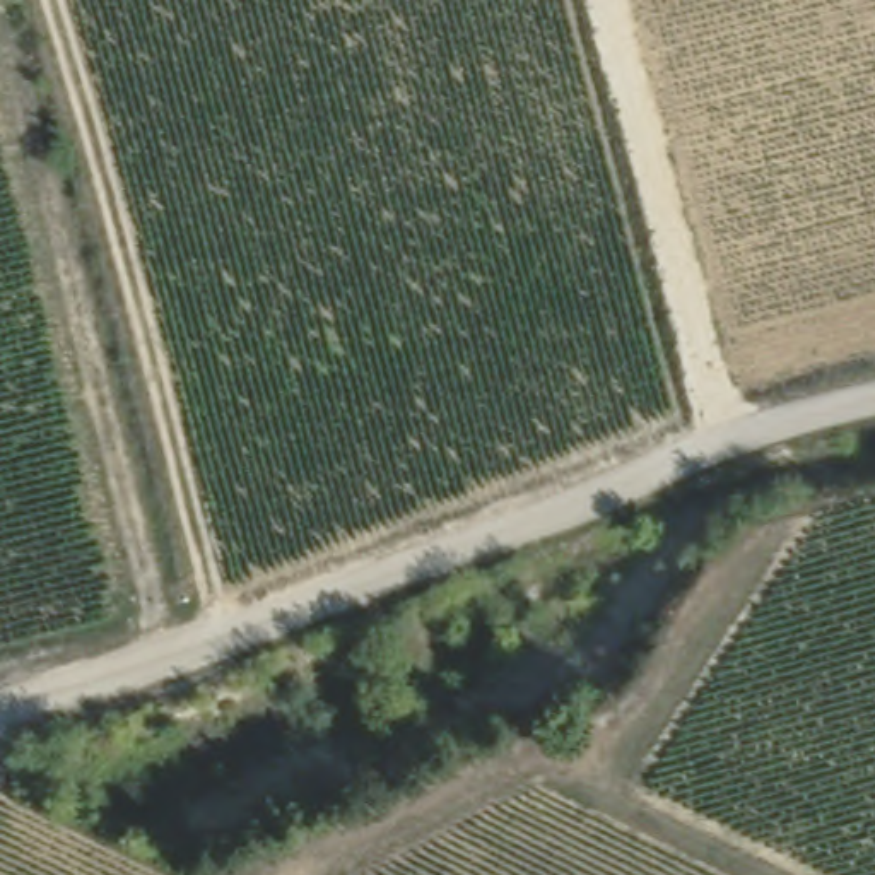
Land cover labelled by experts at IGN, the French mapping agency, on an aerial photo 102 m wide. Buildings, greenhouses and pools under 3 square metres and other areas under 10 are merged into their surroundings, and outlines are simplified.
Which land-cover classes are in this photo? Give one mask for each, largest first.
<instances>
[{"label":"vineyard","instance_id":"1","mask_svg":"<svg viewBox=\"0 0 875 875\"><path fill-rule=\"evenodd\" d=\"M75 31L85 48V65L99 92L116 171L126 191V208L137 226V250L154 297L161 338L171 359L195 479L202 489L212 533L219 540V567L232 591L239 605H253L270 591L291 588L349 561L383 557L396 543L420 533H434L444 523L472 520L502 499L540 492L547 485L571 489L574 475H591L595 465L612 458L632 461L660 448L670 434L690 431L694 420L677 352V332L667 311L653 256L649 226L643 215L619 109L602 72L584 0H68ZM639 65L646 72V85L663 123L667 164L673 171L680 219L690 232V250L708 291L714 342L725 359L731 386L752 403L776 407L875 379V0H629ZM82 475L68 434L65 393L55 376L48 321L31 277L27 239L0 161V660L55 646L51 629L92 622L103 612L106 574L96 571L103 564V550L92 537L89 520L82 516ZM837 496L834 520L813 523L800 537L796 550L766 584L762 602L752 608L749 622L721 653L708 684L680 714L677 731L660 749L643 783L615 772L608 790L595 793L571 776V769L564 766L567 759L543 755L526 738L499 742L489 752L485 759L455 769L448 779L424 786L420 796H400L379 820L314 824L308 831H291L280 865L246 858L232 868V875H875V482L831 489ZM0 875H171L157 865L133 861L113 844L96 841L92 834H82L79 827H55L48 817L0 790Z\"/></svg>","mask_w":875,"mask_h":875},{"label":"herbaceous vegetation","instance_id":"2","mask_svg":"<svg viewBox=\"0 0 875 875\"><path fill-rule=\"evenodd\" d=\"M72 116L38 0H0V161L27 239L31 277L48 321L55 376L65 393L68 434L82 475V516L89 520L92 537L103 550V564L96 571L106 574L103 612L92 622L51 629L55 646L0 660V704L17 697L7 680L17 673H41L62 663L113 653L133 639L157 636L164 629L191 622L198 608V588L181 543L171 482L133 349V332L126 321L123 294L116 284L99 205L89 181L85 188L65 198L58 174L41 161L51 154L55 133H62L58 120ZM677 475H684L690 485H708L718 475L725 489L735 496H766L772 502V516L762 526H738L735 543L721 554H711L704 574L697 578V584L680 598V605L670 608V622L660 632L656 649L643 663V673L625 687L622 697H615L605 704V711L595 714L588 749L567 759L564 766L571 769V776L595 793L608 790L615 772L643 783L660 749L677 731L680 714L708 684L721 653L749 622L752 608L762 602L766 584L796 550L800 537L813 523L834 520L837 496L831 489L875 482V417L769 441L762 448H738L721 458H687L677 465Z\"/></svg>","mask_w":875,"mask_h":875},{"label":"deciduous trees","instance_id":"3","mask_svg":"<svg viewBox=\"0 0 875 875\"><path fill-rule=\"evenodd\" d=\"M62 133H55L51 154L41 161L58 174L65 198L85 188L89 181L72 116L58 120ZM772 516V502L766 496H735L728 509L711 513L708 547L690 543L680 554V567H690V574L697 578L704 574L711 554H721L735 543L738 526H762ZM663 526L653 520V506L646 499H622L605 516L595 513L591 520L571 530L530 543L482 550L472 561L448 564L444 571H414L410 581L383 595H373L369 602H352L335 591L321 595L311 605V615H301L291 629H284L273 639L232 646L215 663L181 677H167L144 690L89 697L65 711H51L41 704L31 718L7 721V735L0 738V790L48 817L55 827H79L82 834H92L103 817L106 783H120L130 796H140L144 769L150 762H164L185 745H198L202 738L229 735L243 714L270 711L304 728L325 731L332 725V711L318 697L314 663L332 653L335 643L349 646L355 653V667H362L359 711L366 728L390 731L396 718L424 711V697L410 687V670H427L431 653L438 646H461L468 639L472 598H479L489 612L492 632L506 649L520 646L523 639L533 643L537 636H547L554 622L591 608V588L605 561L656 547ZM615 697L608 690L581 687L574 694L557 690L554 697L537 701L530 708H509L502 718L492 714V731L499 735V742L526 738L543 755L567 759L588 749L595 714L605 711V704ZM489 752L479 745H461L455 735L441 731L431 749L417 752V762L424 769L400 772L383 786L342 779L328 786V803L318 796L280 790L263 793L256 807L243 813L232 827H226L219 841L202 844V865L191 875H232V868L246 858L280 865L291 831H308L314 824L379 820L400 796H420L424 786L448 779L455 769L485 759ZM113 844L133 861L157 865V848L144 834H126Z\"/></svg>","mask_w":875,"mask_h":875},{"label":"water","instance_id":"4","mask_svg":"<svg viewBox=\"0 0 875 875\"><path fill-rule=\"evenodd\" d=\"M653 506V520L663 526L656 547L605 561L591 588V608L554 622L547 636H537L533 643L523 639L520 646L506 649L492 632L489 612L479 598H472L468 639L461 646H438L431 653L427 670H410V687L424 697V711L396 718L390 731L366 728L359 711L362 667H355V653L349 646L335 643L332 653L314 663L318 697L332 711V725L325 731L304 728L270 711L243 714L229 735L202 738L198 745H185L164 762H150L144 769L140 796H130L120 783H106L103 817L92 834L96 841L113 844L126 834H144L157 848V865L171 875H191L202 865V844L219 841L226 827H232L243 813L256 807L263 793L280 790L318 796L328 803V786L342 779L383 786L400 772L424 769L417 762V752L431 749L441 731L455 735L461 745H479L489 752L499 742V735L492 731V714L502 718L509 708H530L537 701L554 697L557 690L574 694L581 687L608 690L615 697H622L625 687L643 673V663L656 649L660 632L670 622V608L680 605V598L697 584V578L690 574V567H680V554L690 543L708 547L711 513L728 509L735 496L725 489L718 475L708 485H690L684 475H677L670 485L656 489L646 499Z\"/></svg>","mask_w":875,"mask_h":875},{"label":"pervious surface","instance_id":"5","mask_svg":"<svg viewBox=\"0 0 875 875\"><path fill-rule=\"evenodd\" d=\"M72 116L89 181L99 205L116 284L123 294L126 321L133 332V349L171 482L181 543L198 588V608L205 612L215 602H226L232 591L219 567V540L212 533L202 489L195 479L171 359L161 338L154 297L137 250V226L126 208V191L116 171L99 92L85 65V48L75 31L68 0H38ZM602 72L619 109L643 215L649 226L653 256L667 311L677 332V352L694 420L701 431H714L731 417H742L752 403L731 386L725 359L714 342L708 291L690 250V232L680 219L673 171L667 164L663 123L646 85V72L639 65L629 0H584Z\"/></svg>","mask_w":875,"mask_h":875},{"label":"impervious surface","instance_id":"6","mask_svg":"<svg viewBox=\"0 0 875 875\"><path fill-rule=\"evenodd\" d=\"M875 417V379L776 407L752 403L742 417H731L714 431H701L694 420L690 431L670 434L660 448L632 461L612 458L595 465L591 475H574L571 489L547 485L540 492L502 499L472 520L444 523L434 533H420L396 543L383 557L349 561L291 588L270 591L253 605H239L232 591L226 602H215L205 612L198 608L191 622L164 629L157 636L133 639L113 653L62 663L41 673H17L7 680L17 697L0 704V738L7 735V721L31 718L41 704L51 711H65L89 697L144 690L167 677H181L215 663L232 646L273 639L284 629H291L301 615H311V605L321 595L335 591L352 602H369L373 595H383L410 581L414 571H444L448 564L472 561L482 550L530 543L571 530L591 520L595 513L605 516L622 499H646L656 489L670 485L677 475V465L687 458H721L738 448H762L769 441Z\"/></svg>","mask_w":875,"mask_h":875}]
</instances>
